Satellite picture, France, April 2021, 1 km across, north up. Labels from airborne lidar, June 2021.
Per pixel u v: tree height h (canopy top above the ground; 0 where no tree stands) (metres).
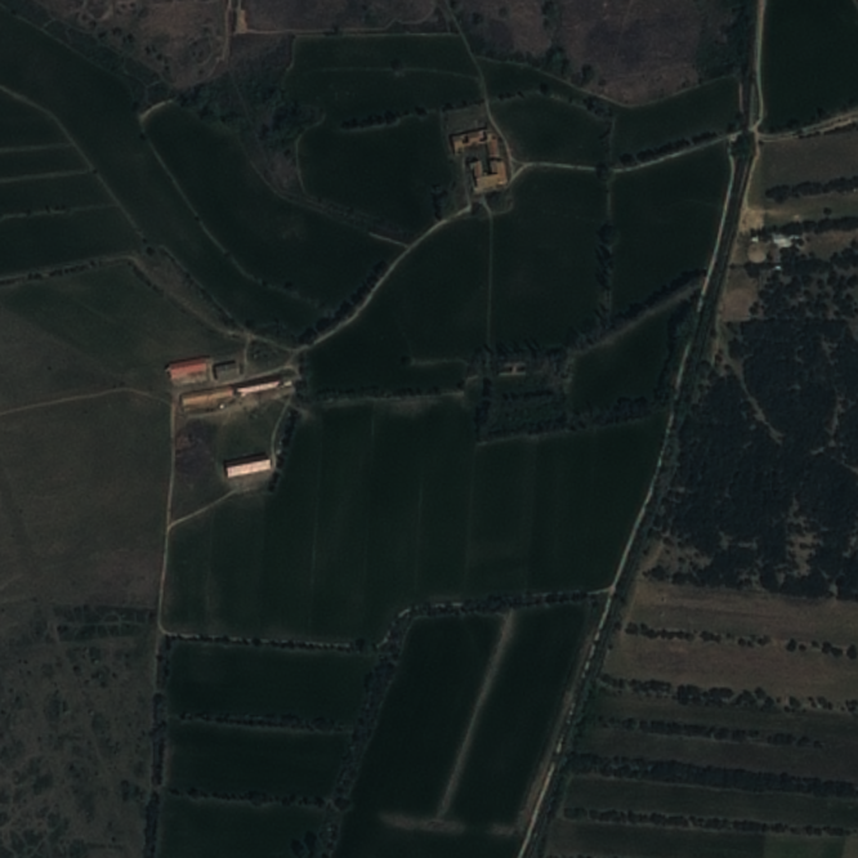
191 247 0
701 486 7
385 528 0
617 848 0
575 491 0
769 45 0
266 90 8
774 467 7
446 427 0
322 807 15
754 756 0
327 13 0
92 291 0
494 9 0
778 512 6
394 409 0
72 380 0
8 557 0
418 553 0
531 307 0
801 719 0
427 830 0
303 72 0
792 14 0
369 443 0
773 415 8
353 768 6
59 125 0
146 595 0
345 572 0
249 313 0
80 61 0
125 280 0
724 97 0
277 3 0
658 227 0
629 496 0
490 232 0
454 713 0
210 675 0
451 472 0
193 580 0
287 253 0
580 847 0
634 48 0
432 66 0
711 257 0
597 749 0
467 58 0
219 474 0
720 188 0
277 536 0
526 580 0
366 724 9
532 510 0
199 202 0
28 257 0
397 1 0
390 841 0
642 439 0
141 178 0
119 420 0
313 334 11
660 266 0
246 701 0
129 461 0
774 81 0
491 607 12
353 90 0
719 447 7
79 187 0
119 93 0
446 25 6
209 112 14
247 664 0
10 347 0
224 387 0
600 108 17
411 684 0
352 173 0
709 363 9
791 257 6
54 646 0
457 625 0
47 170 0
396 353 0
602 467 0
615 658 0
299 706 0
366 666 0
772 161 0
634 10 0
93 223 0
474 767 0
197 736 0
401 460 0
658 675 0
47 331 0
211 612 0
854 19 0
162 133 0
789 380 7
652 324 0
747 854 0
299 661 0
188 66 0
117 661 0
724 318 0
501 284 0
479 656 0
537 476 0
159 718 13
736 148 12
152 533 0
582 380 0
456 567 0
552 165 0
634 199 0
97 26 9
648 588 0
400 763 0
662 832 0
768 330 7
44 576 0
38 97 0
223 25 0
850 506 6
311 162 0
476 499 0
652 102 0
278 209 0
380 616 0
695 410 7
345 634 0
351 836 0
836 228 7
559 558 0
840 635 0
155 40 0
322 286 0
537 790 0
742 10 8
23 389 0
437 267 0
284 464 9
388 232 6
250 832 0
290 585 0
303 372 11
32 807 0
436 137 0
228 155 0
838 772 0
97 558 0
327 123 0
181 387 0
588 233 0
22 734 0
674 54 0
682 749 0
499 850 0
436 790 0
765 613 0
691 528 6
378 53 0
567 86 0
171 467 0
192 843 0
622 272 0
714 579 7
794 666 0
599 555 0
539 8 0
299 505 0
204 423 0
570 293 0
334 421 0
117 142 0
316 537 0
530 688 0
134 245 0
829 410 6
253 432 0
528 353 9
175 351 0
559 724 0
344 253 0
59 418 0
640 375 0
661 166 0
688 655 0
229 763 0
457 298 0
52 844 0
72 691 0
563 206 0
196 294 0
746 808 0
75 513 0
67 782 0
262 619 0
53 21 0
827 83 0
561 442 0
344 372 0
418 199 0
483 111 0
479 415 9
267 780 0
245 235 0
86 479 0
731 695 7
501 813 0
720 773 5
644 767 7
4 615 0
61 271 5
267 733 0
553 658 0
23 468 0
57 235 0
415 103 0
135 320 0
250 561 0
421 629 0
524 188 0
